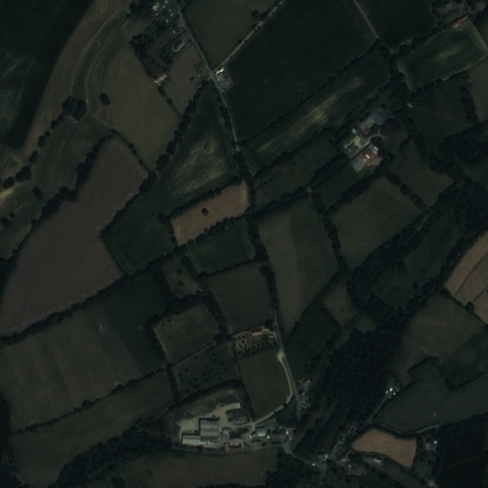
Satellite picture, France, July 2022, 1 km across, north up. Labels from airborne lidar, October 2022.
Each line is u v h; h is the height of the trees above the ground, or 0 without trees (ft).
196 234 0
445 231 0
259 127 0
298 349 0
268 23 0
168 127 0
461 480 38
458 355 0
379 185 0
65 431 0
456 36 0
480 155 54
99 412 0
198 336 0
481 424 84
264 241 0
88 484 33
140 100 0
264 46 0
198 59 0
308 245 0
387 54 62
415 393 0
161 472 0
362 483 18
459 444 84
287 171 0
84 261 0
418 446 22
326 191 0
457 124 0
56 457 0
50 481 0
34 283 0
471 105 69
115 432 0
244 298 0
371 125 0
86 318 0
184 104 0
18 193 0
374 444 0
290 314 0
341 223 0
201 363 0
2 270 62
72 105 45
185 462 0
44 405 0
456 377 0
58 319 50
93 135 0
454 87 0
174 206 0
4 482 63
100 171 0
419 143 54
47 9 0
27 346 0
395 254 55
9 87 0
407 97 66
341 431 41
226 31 0
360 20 0
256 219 54
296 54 0
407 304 0
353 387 128
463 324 0
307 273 0
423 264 0
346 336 0
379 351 130
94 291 0
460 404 0
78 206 0
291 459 54
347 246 0
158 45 0
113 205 0
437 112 0
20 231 0
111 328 0
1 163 0
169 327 0
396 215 0
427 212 42
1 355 0
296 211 0
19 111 0
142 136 0
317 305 20
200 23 0
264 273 47
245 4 0
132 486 0
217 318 45
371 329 0
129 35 0
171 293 55
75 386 0
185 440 0
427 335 0
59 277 0
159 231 0
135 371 0
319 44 0
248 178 55
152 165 0
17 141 0
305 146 29
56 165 0
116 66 0
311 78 0
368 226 0
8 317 0
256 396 0
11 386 0
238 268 29
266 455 0
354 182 0
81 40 0
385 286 0
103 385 0
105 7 0
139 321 0
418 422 0
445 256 0
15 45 0
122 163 0
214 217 0
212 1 0
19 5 0
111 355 0
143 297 0
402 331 32
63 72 0
